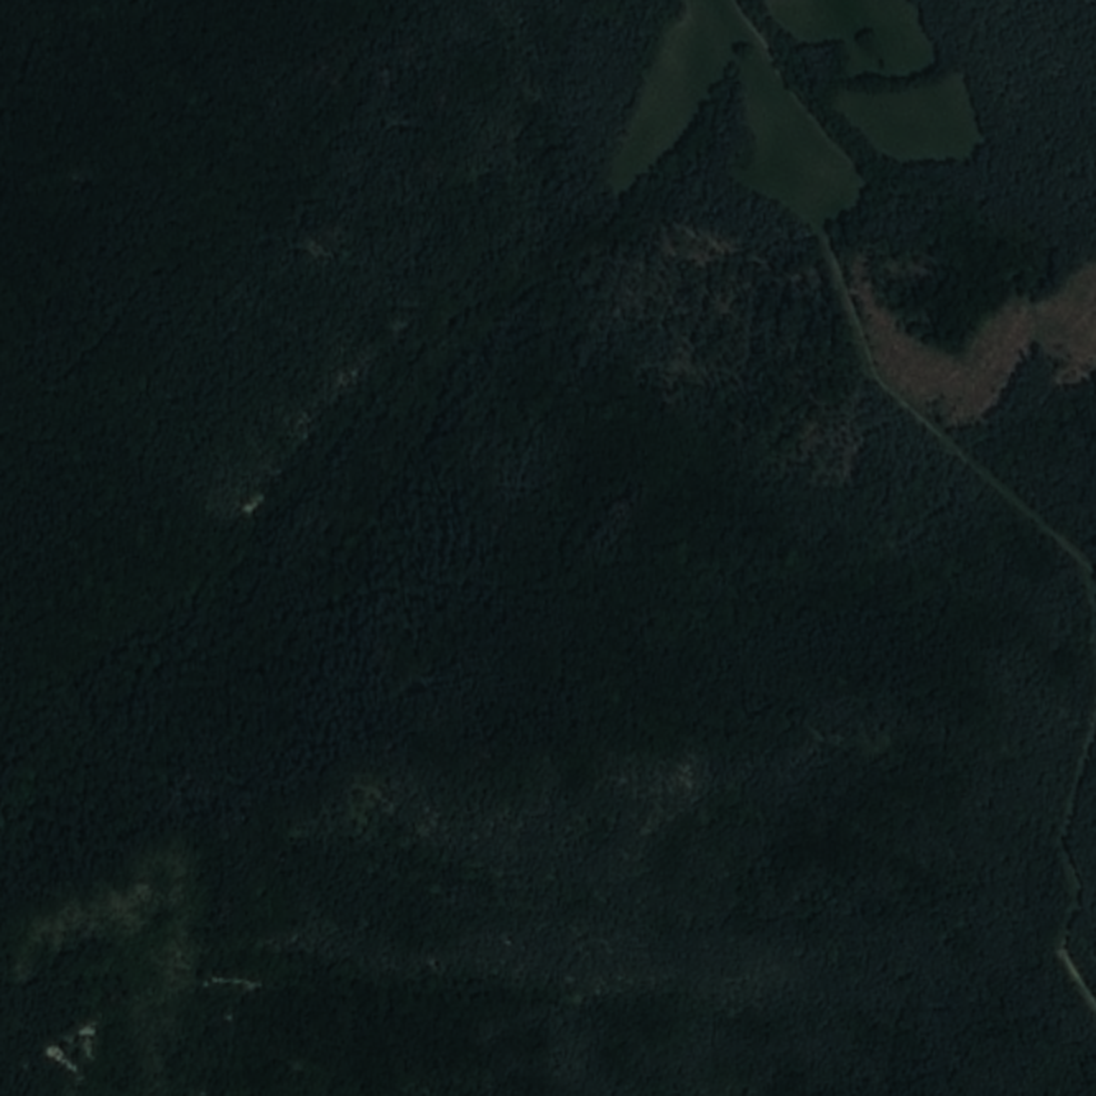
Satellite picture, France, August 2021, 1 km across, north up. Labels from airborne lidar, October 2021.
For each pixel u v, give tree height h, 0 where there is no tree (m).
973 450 10
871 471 12
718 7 0
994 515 13
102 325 30
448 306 18
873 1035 12
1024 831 12
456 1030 11
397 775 11
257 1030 12
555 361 21
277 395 14
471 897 19
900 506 13
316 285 16
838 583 18
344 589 21
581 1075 8
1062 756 11
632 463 18
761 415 25
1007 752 8
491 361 14
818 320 26
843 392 11
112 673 25
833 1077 14
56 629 18
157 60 25
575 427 20
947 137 0
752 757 11
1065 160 15
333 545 19
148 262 26
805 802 13
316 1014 17
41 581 21
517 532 22
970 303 21
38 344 27
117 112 27
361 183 19
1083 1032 15
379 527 17
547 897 13
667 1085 12
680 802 10
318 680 18
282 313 20
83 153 25
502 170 15
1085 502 16
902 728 14
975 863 13
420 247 19
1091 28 13
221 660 19
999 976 21
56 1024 17
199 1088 10
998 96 6
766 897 15
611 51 13
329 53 25
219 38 23
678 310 14
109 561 20
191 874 5
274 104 26
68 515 25
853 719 15
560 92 13
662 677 21
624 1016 18
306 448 15
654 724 20
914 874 16
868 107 0
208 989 10
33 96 23
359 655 18
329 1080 6
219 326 21
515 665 22
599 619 20
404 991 17
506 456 8
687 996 13
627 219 17
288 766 27
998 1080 17
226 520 8
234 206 24
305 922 14
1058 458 17
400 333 12
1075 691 12
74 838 22
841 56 14
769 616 24
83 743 17
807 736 12
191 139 23
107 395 25
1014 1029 10
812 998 10
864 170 20
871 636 25
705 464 18
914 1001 14
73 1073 12
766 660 24
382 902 21
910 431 13
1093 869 11
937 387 0
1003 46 7
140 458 17
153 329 23
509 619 27
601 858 9
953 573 17
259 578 17
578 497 16
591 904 10
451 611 28
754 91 0
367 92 16
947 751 15
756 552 17
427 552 19
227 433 15
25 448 28
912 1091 23
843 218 13
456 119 17
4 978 18
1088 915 9
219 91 28
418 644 22
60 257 28
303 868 23
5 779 28
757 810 9
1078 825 17
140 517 22
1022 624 19
